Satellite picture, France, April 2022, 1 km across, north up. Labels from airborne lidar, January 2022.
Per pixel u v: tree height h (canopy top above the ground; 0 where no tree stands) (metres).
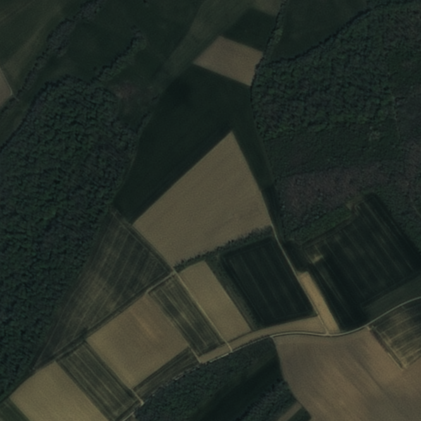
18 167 23
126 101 0
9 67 0
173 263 0
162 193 0
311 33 0
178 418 24
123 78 0
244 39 0
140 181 0
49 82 0
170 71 0
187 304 0
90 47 0
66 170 23
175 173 0
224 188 0
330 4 0
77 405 0
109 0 0
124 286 0
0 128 0
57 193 20
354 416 0
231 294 0
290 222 13
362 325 0
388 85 21
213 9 0
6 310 9
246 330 0
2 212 24
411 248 0
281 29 12
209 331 0
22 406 0
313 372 0
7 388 25
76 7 0
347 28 13
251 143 0
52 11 0
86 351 0
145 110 0
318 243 0
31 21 0
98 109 20
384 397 0
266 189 0
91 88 20
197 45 0
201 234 0
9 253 20
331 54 23
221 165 0
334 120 22
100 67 0
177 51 0
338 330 0
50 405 0
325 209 15
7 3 0
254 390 0
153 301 0
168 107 0
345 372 0
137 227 0
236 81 0
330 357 0
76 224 24
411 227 19
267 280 0
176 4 0
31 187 23
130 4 0
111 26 0
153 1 0
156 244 0
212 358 0
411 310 0
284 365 0
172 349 0
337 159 10
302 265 0
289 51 0
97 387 0
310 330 0
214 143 0
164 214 0
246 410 0
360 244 0
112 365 0
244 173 0
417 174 21
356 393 0
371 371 0
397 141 8
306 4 0
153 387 0
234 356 12
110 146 0
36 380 0
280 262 0
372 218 0
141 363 0
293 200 19
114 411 0
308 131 24
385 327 0
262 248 0
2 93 0
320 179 22
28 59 0
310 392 0
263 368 0
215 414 0
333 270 0
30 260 25
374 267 0
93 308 0
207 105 0
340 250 0
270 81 8
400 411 0
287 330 0
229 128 0
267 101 23
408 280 0
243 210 0
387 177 17
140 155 0
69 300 0
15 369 16
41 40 0
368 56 16
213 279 0
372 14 21
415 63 28
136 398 0
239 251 0
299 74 15
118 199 0
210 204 0
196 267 0
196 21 0
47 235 26
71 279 21
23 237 24
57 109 23
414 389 0
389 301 0
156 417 20
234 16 0
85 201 25
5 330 14
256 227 0
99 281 0
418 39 20
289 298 0
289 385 11
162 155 0
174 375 0
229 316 0
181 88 0
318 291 0
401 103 12
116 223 0
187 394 13
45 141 21
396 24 10
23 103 0
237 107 0
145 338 0
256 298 0
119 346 0
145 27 0
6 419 0
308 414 6
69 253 15
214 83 0
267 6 0
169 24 0
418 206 16
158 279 0
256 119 14
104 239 0
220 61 0
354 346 0
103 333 0
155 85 0
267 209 0
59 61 0
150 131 0
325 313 0
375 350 0
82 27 0
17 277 22
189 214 0
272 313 0
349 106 21
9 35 0
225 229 0
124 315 0
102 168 25
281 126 22
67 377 0
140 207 0
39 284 23
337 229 0
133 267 0
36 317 22
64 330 0
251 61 0
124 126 19
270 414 10
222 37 0
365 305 0
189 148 0
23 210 24
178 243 0
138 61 0
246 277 0
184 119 0
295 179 18
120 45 0
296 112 29
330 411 0
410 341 0
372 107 29
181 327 0
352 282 0
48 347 0
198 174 0
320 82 22
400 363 0
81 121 25
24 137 18
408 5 19
